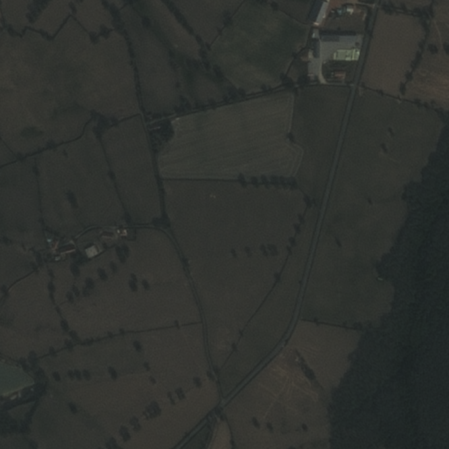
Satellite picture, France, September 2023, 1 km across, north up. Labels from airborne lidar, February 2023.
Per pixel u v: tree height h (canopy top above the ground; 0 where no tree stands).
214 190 0
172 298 0
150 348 0
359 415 23
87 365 0
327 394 0
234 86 0
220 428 0
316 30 0
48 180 0
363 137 0
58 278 0
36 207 0
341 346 0
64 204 0
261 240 0
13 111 0
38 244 0
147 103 0
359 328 15
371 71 0
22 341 0
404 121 0
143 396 0
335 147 0
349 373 14
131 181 0
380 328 11
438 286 23
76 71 0
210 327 0
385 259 18
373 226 0
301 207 0
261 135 0
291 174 0
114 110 0
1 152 0
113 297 0
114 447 15
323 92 0
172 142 0
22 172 0
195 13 0
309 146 0
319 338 0
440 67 0
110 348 0
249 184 0
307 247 0
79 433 0
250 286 0
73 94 0
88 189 0
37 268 14
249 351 0
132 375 0
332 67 0
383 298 0
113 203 0
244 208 0
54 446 0
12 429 17
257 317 0
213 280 0
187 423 0
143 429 0
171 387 0
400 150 0
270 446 0
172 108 0
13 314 0
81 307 0
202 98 0
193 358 0
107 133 0
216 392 0
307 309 0
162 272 0
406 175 0
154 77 0
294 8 0
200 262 0
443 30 0
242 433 0
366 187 0
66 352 0
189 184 0
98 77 0
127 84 0
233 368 0
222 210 0
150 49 0
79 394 0
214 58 0
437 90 0
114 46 0
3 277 0
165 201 0
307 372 11
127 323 0
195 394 0
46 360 0
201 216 0
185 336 0
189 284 0
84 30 0
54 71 0
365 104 0
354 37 0
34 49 0
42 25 0
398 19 0
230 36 0
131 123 0
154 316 0
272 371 0
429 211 23
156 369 0
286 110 0
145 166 0
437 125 0
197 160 0
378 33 0
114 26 17
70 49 0
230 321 0
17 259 0
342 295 0
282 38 0
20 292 0
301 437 0
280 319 0
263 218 0
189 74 0
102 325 0
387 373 26
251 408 0
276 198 0
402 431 17
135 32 0
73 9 16
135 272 0
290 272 0
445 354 19
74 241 10
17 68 0
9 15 0
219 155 0
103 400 0
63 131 0
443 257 18
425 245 24
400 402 21
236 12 0
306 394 0
